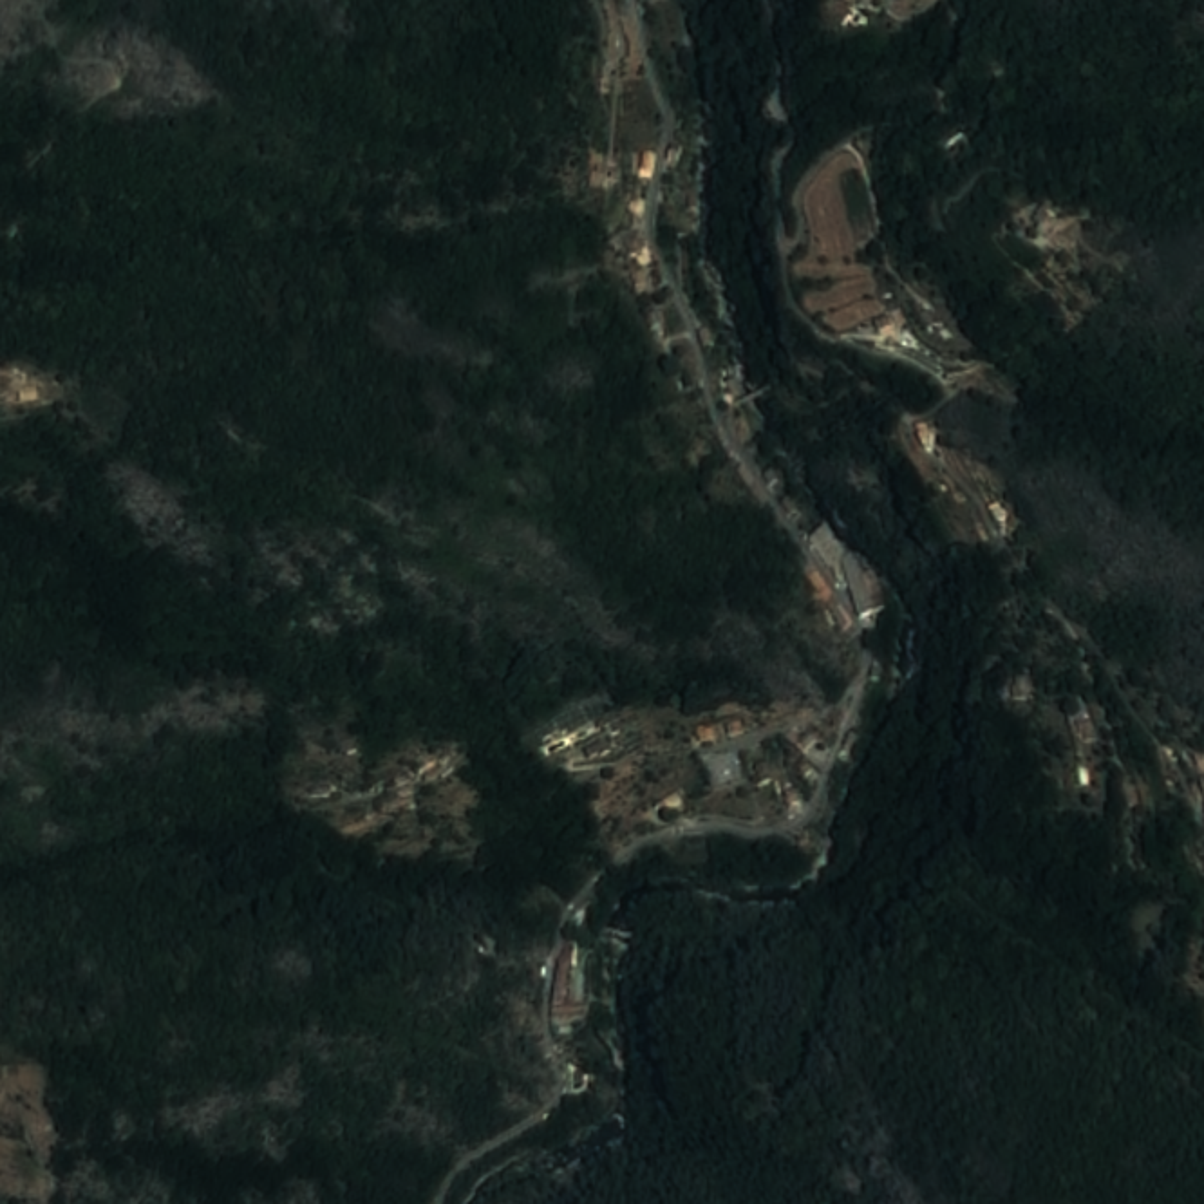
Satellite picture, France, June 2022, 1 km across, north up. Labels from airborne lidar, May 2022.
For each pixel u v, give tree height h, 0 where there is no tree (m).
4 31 0
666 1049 15
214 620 11
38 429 8
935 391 16
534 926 7
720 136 10
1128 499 9
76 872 6
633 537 11
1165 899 7
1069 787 0
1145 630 7
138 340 10
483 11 12
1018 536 8
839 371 7
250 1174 13
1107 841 14
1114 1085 9
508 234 8
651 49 10
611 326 13
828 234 0
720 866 10
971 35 17
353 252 15
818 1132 11
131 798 10
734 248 13
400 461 13
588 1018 10
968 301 12
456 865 17
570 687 11
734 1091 16
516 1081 8
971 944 13
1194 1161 12
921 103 8
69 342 7
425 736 7
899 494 28
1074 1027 10
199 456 7
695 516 15
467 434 8
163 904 10
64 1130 8
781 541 6
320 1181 8
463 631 12
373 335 8
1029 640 6
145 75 0
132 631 15
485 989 6
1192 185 11
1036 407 16
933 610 14
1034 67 16
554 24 10
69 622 17
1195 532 6
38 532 17
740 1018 29
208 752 14
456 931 18
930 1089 8
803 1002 14
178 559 7
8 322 16
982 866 16
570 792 11
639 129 0
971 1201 10
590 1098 9
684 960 15
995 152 16
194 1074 10
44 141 8
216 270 15
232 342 11
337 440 11
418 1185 10
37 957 9
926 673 15
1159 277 0
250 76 11
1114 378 12
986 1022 9
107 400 0
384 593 8
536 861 15
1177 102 16
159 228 12
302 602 8
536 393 9
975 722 12
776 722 0
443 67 18
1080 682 14
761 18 11
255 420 9
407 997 6
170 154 12
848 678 8
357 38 7
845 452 8
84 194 15
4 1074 0
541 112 9
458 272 12
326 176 11
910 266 6
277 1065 11
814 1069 16
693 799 8
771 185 8
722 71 19
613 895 21
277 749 13
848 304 0
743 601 9
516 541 0
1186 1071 9
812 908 22
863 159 0
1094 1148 12
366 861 16
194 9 11
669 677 7
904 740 25
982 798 21
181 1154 11
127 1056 11
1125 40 7
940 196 9
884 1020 14
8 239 13
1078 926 20
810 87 17
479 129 13
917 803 18
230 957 9
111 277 18
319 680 14
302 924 13
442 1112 6
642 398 15
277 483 9
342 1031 9
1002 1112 8
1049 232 0
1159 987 19
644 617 10
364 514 6
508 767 11
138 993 8
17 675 6
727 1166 18
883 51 11
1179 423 12
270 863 23
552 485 6
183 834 20
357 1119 13
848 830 14
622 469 6
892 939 10
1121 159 15
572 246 14
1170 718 8
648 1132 15
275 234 8
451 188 7
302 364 7
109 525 10
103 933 9
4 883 13
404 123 10
